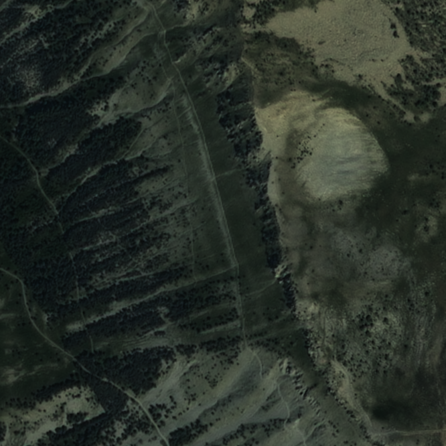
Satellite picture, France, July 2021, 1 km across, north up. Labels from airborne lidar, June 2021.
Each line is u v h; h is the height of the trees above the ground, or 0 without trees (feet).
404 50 0
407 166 0
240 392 0
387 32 0
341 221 0
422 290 0
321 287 0
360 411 0
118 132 33
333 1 0
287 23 0
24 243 25
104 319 42
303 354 0
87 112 29
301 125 0
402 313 0
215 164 0
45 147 48
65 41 27
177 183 0
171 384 0
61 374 0
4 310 0
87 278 39
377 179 0
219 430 0
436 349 0
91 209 20
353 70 0
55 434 26
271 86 0
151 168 0
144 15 0
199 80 0
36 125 52
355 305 0
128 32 0
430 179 0
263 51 0
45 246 19
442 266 0
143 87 0
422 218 0
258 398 0
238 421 0
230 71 0
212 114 0
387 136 0
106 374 46
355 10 0
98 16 32
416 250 0
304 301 0
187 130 0
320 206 0
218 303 19
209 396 0
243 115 0
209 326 31
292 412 0
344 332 0
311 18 0
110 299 57
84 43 30
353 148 0
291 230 0
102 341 0
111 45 0
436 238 0
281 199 0
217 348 34
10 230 54
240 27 0
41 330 0
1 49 34
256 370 0
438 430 0
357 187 0
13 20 20
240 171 0
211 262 0
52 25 34
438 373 0
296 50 0
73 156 23
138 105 0
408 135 0
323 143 0
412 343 0
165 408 41
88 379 49
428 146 0
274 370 0
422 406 0
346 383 0
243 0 0
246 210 0
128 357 42
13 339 0
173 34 0
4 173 29
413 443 0
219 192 0
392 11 0
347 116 0
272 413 0
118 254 22
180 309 31
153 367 28
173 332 0
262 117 0
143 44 0
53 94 0
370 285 0
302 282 0
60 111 56
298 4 0
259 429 0
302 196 0
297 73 0
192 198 0
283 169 0
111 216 22
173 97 0
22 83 22
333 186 0
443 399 0
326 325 0
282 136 0
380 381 0
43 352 0
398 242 0
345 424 0
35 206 26
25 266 55
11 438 0
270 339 20
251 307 0
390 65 0
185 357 0
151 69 0
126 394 39
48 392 27
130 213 31
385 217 0
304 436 0
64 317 33
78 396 24
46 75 31
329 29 0
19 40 19
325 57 0
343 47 0
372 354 0
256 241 0
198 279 0
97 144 34
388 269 0
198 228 0
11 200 55
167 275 28
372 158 0
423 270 0
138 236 34
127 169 25
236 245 0
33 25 40
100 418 46
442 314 0
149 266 20
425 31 0
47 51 39
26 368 0
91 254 36
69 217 54
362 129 0
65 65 39
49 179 62
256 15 27
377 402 0
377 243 0
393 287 0
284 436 0
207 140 0
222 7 0
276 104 0
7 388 0
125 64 0
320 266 0
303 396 0
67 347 47
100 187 22
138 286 29
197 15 0
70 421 38
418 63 0
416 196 0
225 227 0
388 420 0
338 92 0
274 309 0
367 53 0
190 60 0
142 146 0
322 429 0
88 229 26
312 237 0
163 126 0
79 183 18
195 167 0
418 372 0
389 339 0
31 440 0
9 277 0
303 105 0
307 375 0
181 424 0
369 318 42
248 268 0
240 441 0
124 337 0
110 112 0
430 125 0
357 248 0
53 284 60
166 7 0
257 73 0
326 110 0
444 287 0
